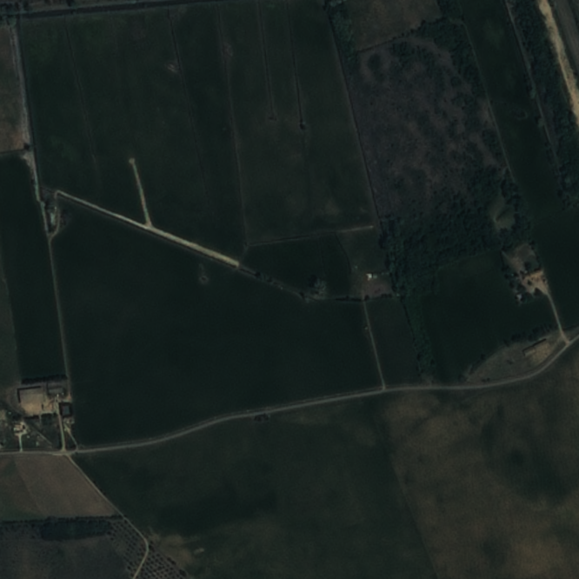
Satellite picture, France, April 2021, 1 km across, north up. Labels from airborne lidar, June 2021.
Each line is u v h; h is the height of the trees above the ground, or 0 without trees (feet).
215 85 0
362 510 0
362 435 0
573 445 0
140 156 0
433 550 0
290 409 0
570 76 0
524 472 0
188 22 0
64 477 0
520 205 54
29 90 0
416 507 0
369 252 0
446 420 0
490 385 0
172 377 0
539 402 0
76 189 0
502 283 0
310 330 0
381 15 0
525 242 44
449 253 31
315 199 0
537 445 0
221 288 0
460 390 0
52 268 0
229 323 0
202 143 0
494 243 71
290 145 0
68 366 0
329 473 0
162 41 0
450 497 0
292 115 0
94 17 0
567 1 0
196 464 0
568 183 52
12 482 0
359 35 0
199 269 0
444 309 0
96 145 0
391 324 0
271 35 0
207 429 0
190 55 0
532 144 0
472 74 31
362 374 0
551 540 0
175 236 0
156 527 0
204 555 0
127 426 0
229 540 0
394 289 27
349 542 0
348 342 0
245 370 0
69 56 0
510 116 0
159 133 0
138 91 0
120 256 0
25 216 0
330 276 0
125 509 0
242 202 0
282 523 0
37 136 0
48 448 0
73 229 0
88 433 0
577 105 0
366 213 0
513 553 0
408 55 26
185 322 0
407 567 0
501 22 0
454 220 31
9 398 0
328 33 0
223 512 0
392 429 0
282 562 0
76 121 0
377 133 0
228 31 0
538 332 41
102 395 0
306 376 0
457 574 0
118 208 0
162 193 0
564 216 0
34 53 0
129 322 0
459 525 0
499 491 0
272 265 0
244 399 0
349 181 0
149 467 0
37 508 0
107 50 0
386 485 0
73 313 0
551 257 0
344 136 0
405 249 41
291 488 0
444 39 38
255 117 0
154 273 0
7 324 0
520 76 0
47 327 0
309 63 0
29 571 0
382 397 0
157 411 0
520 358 0
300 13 0
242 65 0
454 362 0
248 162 0
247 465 0
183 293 0
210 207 0
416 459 0
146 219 0
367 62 0
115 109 0
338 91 0
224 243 0
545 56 52
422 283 57
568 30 0
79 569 0
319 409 0
